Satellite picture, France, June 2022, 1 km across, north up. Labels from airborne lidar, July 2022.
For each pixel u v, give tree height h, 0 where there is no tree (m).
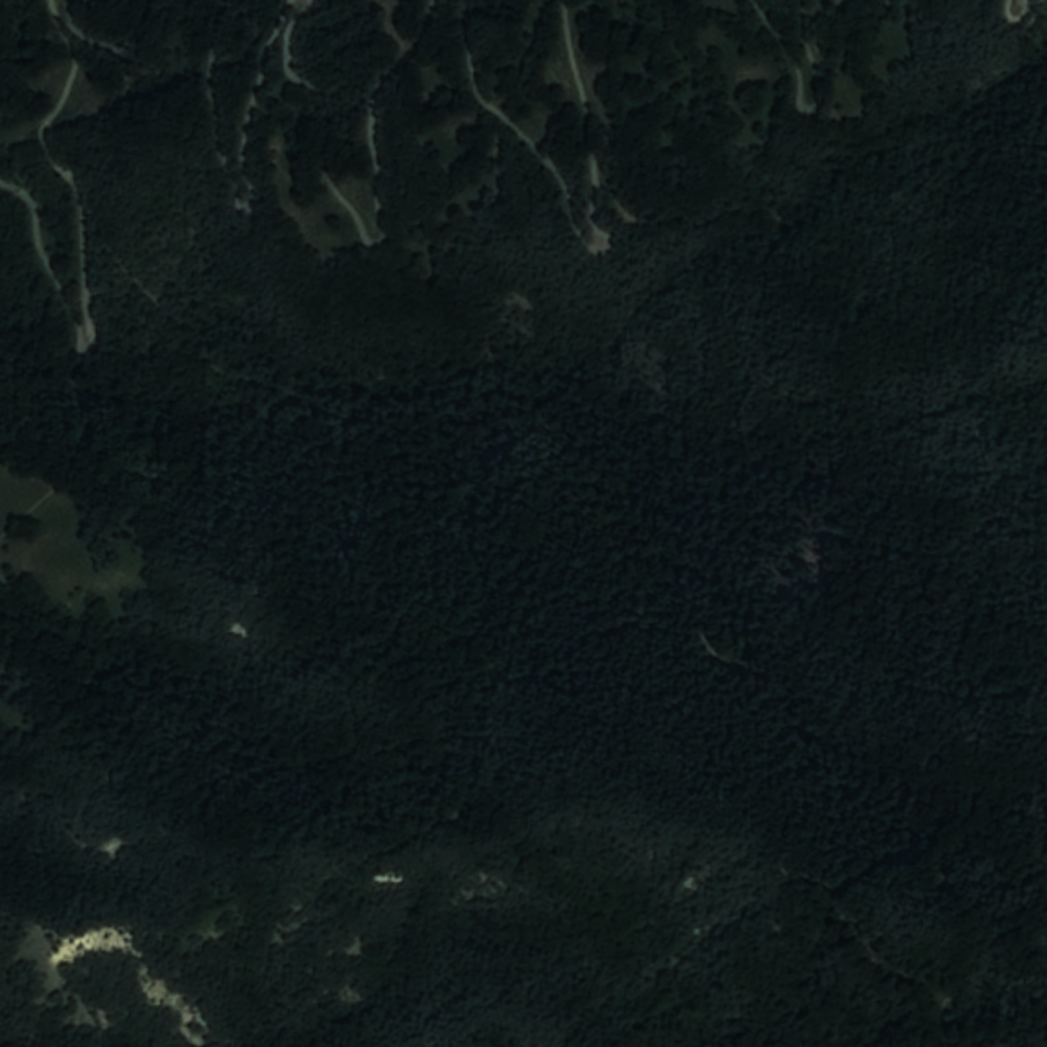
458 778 29
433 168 17
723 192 21
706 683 35
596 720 23
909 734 27
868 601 28
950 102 17
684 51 11
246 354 15
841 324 18
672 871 13
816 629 27
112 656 18
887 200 24
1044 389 20
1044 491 18
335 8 14
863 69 20
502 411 23
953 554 13
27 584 15
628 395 11
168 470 20
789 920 20
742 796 28
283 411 24
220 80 15
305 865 10
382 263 18
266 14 15
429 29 21
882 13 21
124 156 21
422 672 20
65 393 29
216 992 21
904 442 21
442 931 22
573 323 16
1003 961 18
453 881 11
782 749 34
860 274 25
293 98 18
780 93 13
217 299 19
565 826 13
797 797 34
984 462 12
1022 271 22
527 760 20
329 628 16
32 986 9
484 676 18
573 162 14
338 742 21
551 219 15
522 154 19
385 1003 22
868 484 17
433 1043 12
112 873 15
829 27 17
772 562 24
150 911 17
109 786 9
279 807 17
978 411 20
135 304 14
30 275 15
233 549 18
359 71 18
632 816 18
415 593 20
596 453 24
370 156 12
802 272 24
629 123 16
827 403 15
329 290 20
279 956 13
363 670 17
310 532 24
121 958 10
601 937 26
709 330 15
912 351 23
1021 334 15
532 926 23
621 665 32
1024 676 26
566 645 22
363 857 10
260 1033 18
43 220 18
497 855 16
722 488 23
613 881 15
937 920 28
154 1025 13
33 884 27
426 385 24
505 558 33
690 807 27
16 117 13
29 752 19
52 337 22
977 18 15
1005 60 15
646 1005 20
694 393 17
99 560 16
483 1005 17
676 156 22
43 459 22
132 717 21
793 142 17
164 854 16
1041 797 20
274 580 25
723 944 18
